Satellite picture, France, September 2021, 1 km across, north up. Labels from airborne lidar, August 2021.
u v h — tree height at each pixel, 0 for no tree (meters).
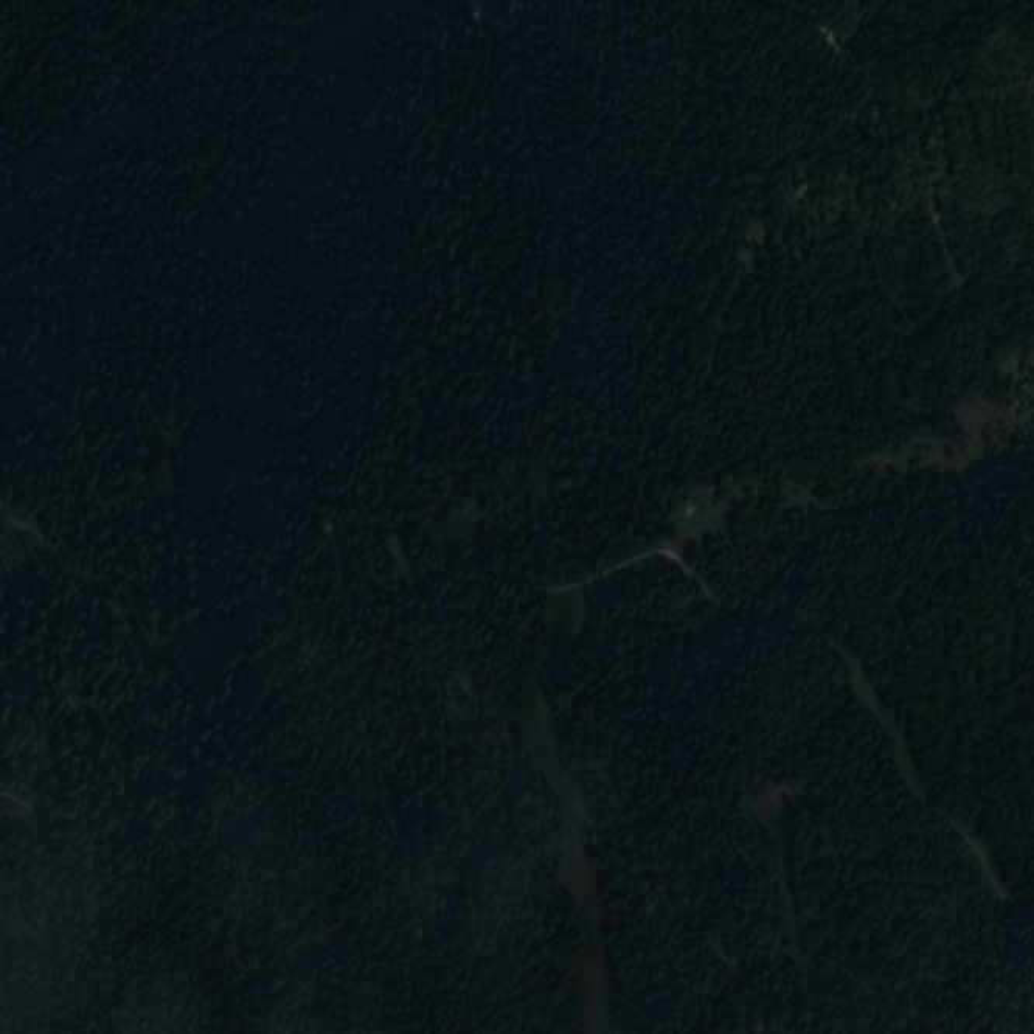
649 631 22
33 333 26
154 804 30
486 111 21
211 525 26
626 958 8
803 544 17
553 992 14
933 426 19
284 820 26
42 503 22
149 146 33
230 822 29
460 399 29
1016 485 25
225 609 28
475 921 23
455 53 26
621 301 25
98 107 18
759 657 25
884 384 22
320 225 24
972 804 14
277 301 24
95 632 6
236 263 24
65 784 30
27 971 27
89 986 20
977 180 14
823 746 29
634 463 25
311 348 18
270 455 15
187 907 23
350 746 32
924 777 19
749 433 16
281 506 17
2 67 21
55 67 33
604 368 25
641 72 25
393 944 27
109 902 20
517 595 25
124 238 24
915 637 26
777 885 20
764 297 16
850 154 29
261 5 21
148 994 26
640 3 18
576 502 9
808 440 27
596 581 0
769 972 25
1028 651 18
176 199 28
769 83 20
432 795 22
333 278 26
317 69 26
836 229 12
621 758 11
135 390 19
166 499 0
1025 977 21
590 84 26
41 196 32
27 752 30
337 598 31
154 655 0
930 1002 26
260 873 27
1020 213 15
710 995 16
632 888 19
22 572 0
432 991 20
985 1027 22
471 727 0
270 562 24
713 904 8
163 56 26
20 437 28
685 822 21
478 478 22
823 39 19
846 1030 22
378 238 21
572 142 26
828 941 10
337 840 22
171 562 32
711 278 17
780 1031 22
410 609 31
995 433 7
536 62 30
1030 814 22
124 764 26
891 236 19
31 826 0
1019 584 14
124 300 24
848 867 22
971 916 25
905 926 25
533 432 28
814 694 15
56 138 22
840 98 14
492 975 23
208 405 22
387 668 34
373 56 24
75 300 9
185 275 26
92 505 14
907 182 24
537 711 0
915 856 21
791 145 25
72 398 29
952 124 20
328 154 10
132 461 19
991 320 20
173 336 24
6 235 24
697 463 17
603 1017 0
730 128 14
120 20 24
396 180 23
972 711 17
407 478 32
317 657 29
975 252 15
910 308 9
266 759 17
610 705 9
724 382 27
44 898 29
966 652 11
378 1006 23
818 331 23
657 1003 7
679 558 0
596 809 16
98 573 23
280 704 28
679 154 22
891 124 26
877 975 27
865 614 27
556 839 12
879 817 19
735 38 29
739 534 20
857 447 26
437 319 28
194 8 27
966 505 31
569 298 24
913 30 11
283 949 23
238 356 16
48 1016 19
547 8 24
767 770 24
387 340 17
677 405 8
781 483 13
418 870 30
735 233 15
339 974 24
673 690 30
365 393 17
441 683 23
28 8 28
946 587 20
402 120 17
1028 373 12
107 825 27
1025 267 16
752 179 26
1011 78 10
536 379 18
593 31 28
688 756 15
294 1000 23
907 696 26
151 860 22
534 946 6
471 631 28
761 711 19
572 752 18
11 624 8
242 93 27
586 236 28
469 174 22
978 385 23
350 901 28
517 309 28
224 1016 18
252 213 7
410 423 26
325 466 19
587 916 0
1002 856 18
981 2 15
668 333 22
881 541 28
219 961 25
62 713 31
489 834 30
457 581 21
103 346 19
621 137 31
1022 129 14
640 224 29
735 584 21
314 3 18
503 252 30
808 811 0
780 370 27
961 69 14
